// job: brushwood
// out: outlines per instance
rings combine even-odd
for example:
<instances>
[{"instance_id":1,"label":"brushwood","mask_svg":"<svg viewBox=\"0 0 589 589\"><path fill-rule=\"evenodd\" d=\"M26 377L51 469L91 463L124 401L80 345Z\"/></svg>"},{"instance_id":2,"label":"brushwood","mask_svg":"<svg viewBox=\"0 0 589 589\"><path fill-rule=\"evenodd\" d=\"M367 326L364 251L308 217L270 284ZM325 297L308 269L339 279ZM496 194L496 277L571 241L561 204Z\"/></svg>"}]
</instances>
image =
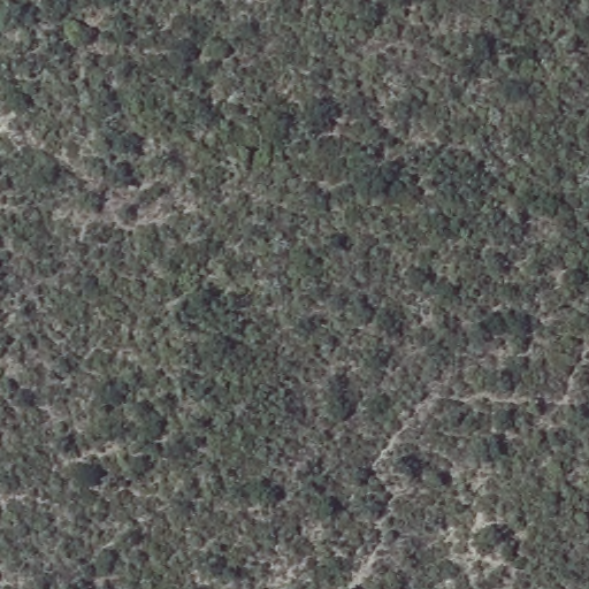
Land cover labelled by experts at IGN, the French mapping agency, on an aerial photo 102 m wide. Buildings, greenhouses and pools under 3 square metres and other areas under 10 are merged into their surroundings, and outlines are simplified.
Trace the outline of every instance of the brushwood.
<instances>
[{"instance_id":1,"label":"brushwood","mask_svg":"<svg viewBox=\"0 0 589 589\"><path fill-rule=\"evenodd\" d=\"M589 589L589 0L0 0L0 589Z\"/></svg>"}]
</instances>

